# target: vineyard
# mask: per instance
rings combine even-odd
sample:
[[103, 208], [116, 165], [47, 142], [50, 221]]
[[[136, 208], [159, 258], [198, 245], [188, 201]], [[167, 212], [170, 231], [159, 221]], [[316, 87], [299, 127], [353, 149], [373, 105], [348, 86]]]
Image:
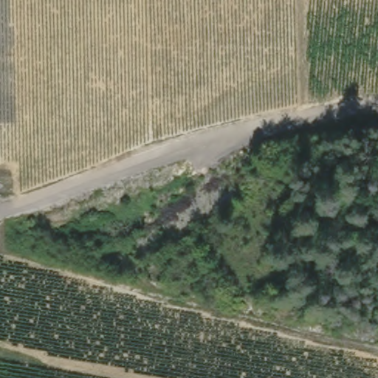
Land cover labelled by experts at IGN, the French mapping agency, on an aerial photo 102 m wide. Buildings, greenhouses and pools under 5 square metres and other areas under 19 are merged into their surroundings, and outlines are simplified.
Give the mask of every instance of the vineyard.
[[343, 96], [351, 83], [357, 84], [357, 94], [378, 94], [378, 0], [0, 0], [0, 167], [6, 168], [10, 162], [18, 162], [19, 188], [22, 195], [25, 195], [58, 185], [69, 177], [86, 171], [100, 170], [131, 155], [139, 154], [146, 148], [161, 145], [164, 142], [161, 134], [189, 130], [216, 121], [229, 120], [230, 117], [250, 115], [291, 103], [304, 105], [325, 100], [326, 96]]
[[282, 340], [278, 335], [269, 332], [241, 328], [223, 320], [208, 320], [196, 313], [182, 310], [159, 310], [158, 304], [152, 301], [137, 300], [133, 295], [120, 294], [103, 286], [75, 281], [56, 272], [35, 269], [18, 261], [6, 261], [0, 255], [0, 348], [6, 348], [6, 350], [9, 351], [18, 351], [18, 353], [25, 354], [25, 356], [34, 357], [34, 360], [32, 360], [32, 362], [28, 366], [25, 366], [25, 363], [22, 362], [22, 360], [9, 359], [9, 357], [0, 357], [0, 378], [374, 378], [363, 369], [346, 362], [343, 351], [298, 348], [292, 346], [291, 341]]

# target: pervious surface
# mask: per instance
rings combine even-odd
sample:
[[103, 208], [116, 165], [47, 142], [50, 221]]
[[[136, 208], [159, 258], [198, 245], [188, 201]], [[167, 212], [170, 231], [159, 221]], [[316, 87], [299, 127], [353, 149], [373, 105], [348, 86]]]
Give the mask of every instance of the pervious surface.
[[19, 188], [18, 162], [10, 162], [6, 168], [12, 173], [13, 182], [13, 195], [9, 196], [13, 207], [21, 208], [25, 195], [22, 195]]

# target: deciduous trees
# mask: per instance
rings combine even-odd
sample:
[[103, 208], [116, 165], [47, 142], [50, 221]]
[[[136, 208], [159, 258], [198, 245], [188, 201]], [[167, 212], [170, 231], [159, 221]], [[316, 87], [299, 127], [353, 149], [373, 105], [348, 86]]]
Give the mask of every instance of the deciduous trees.
[[254, 155], [251, 162], [260, 171], [261, 176], [276, 179], [281, 179], [292, 157], [294, 148], [288, 142], [263, 143], [260, 152]]

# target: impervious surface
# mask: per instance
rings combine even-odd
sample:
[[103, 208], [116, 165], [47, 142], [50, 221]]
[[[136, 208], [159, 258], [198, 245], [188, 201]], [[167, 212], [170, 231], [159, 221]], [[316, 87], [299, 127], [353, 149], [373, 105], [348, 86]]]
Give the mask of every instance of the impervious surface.
[[250, 145], [250, 152], [254, 155], [260, 152], [263, 143], [288, 142], [294, 148], [292, 157], [303, 157], [307, 161], [312, 157], [312, 136], [326, 136], [331, 130], [356, 127], [363, 118], [371, 118], [378, 123], [378, 94], [357, 94], [357, 84], [351, 83], [343, 96], [326, 96], [325, 100], [304, 105], [291, 103], [250, 115], [230, 117], [229, 120], [216, 121], [189, 130], [161, 134], [164, 142], [161, 145], [146, 148], [139, 154], [131, 155], [100, 170], [86, 171], [69, 177], [58, 185], [25, 195], [21, 208], [13, 207], [9, 196], [0, 196], [0, 220], [4, 220], [24, 214], [41, 213], [53, 207], [61, 207], [72, 198], [87, 198], [93, 190], [123, 185], [123, 180], [126, 179], [143, 179], [148, 176], [149, 168], [179, 159], [189, 162], [192, 176], [204, 174], [208, 168], [214, 167], [221, 159], [227, 157], [229, 152], [244, 148]]

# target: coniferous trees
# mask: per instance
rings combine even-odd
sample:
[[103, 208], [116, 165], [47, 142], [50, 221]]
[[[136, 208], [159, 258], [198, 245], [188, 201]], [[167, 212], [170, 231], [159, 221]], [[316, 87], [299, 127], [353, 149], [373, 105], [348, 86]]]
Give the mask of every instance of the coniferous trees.
[[117, 285], [121, 283], [134, 286], [140, 289], [142, 294], [162, 294], [170, 297], [170, 303], [177, 306], [185, 306], [186, 301], [196, 301], [199, 309], [207, 310], [211, 315], [233, 317], [252, 325], [279, 329], [288, 334], [292, 328], [300, 325], [320, 326], [323, 331], [331, 332], [332, 337], [343, 338], [343, 332], [356, 332], [359, 329], [366, 332], [372, 325], [377, 329], [377, 335], [375, 341], [368, 341], [368, 344], [378, 346], [378, 123], [371, 118], [363, 118], [356, 127], [331, 130], [326, 136], [312, 136], [312, 157], [307, 161], [303, 157], [292, 157], [281, 179], [276, 179], [261, 176], [260, 171], [251, 162], [254, 155], [250, 152], [250, 145], [244, 148], [244, 165], [235, 167], [233, 190], [221, 190], [219, 199], [208, 213], [193, 211], [192, 217], [183, 229], [177, 229], [170, 220], [177, 220], [179, 213], [183, 213], [195, 201], [195, 182], [189, 177], [185, 188], [179, 188], [179, 192], [174, 195], [171, 192], [162, 193], [143, 216], [114, 221], [94, 230], [72, 230], [69, 233], [58, 230], [53, 238], [43, 230], [32, 230], [34, 241], [30, 245], [31, 258], [40, 263], [44, 258], [53, 258], [63, 269]]

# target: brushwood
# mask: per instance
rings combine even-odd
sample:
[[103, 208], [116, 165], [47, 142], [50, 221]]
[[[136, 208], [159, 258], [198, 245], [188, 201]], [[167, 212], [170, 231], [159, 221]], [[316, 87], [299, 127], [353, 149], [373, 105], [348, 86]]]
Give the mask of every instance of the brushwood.
[[52, 221], [41, 213], [24, 214], [4, 220], [4, 242], [7, 251], [10, 254], [31, 258], [30, 245], [34, 241], [32, 230], [43, 230], [53, 238], [58, 230], [69, 233], [72, 230], [94, 230], [114, 221], [143, 216], [162, 193], [171, 192], [174, 195], [179, 192], [179, 188], [185, 188], [189, 177], [182, 174], [161, 188], [145, 188], [137, 195], [130, 196], [130, 201], [120, 201], [120, 204], [111, 202], [106, 210], [89, 208], [81, 211], [75, 219], [68, 220], [58, 227], [52, 226]]

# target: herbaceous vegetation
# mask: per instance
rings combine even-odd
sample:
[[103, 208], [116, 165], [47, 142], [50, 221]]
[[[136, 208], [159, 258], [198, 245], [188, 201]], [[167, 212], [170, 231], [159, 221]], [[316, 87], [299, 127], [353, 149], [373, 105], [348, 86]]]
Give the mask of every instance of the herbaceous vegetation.
[[120, 201], [130, 201], [130, 196], [137, 195], [145, 188], [161, 188], [182, 174], [189, 177], [195, 182], [195, 201], [183, 213], [179, 213], [177, 220], [170, 220], [177, 229], [183, 229], [192, 217], [193, 211], [208, 213], [219, 199], [221, 190], [233, 190], [235, 167], [244, 165], [244, 148], [229, 152], [227, 157], [221, 159], [214, 167], [208, 168], [204, 174], [192, 176], [189, 162], [179, 159], [149, 168], [148, 176], [143, 179], [126, 179], [123, 180], [123, 185], [93, 190], [87, 198], [72, 198], [61, 207], [53, 207], [41, 213], [52, 221], [52, 226], [58, 227], [68, 220], [75, 219], [81, 211], [89, 208], [106, 210], [111, 202], [120, 204]]
[[158, 304], [159, 310], [182, 310], [196, 313], [208, 320], [223, 320], [241, 328], [269, 332], [278, 335], [282, 340], [291, 341], [292, 346], [298, 348], [343, 351], [346, 362], [363, 369], [374, 378], [378, 378], [378, 346], [368, 344], [368, 341], [375, 341], [377, 335], [377, 329], [372, 325], [366, 332], [359, 329], [356, 332], [343, 332], [343, 338], [332, 337], [331, 332], [323, 331], [320, 326], [300, 325], [292, 328], [288, 334], [279, 329], [252, 325], [233, 317], [211, 315], [207, 310], [199, 309], [196, 301], [186, 301], [185, 306], [177, 306], [170, 303], [170, 297], [162, 294], [142, 294], [140, 289], [134, 286], [121, 283], [117, 285], [63, 269], [53, 258], [44, 258], [40, 263], [31, 258], [10, 254], [7, 251], [4, 242], [4, 220], [0, 220], [0, 255], [6, 261], [18, 261], [35, 269], [56, 272], [75, 281], [103, 286], [120, 294], [133, 295], [137, 300], [152, 301]]
[[9, 359], [22, 360], [22, 362], [25, 363], [25, 366], [28, 366], [32, 362], [32, 360], [34, 360], [34, 357], [25, 356], [25, 354], [18, 353], [18, 351], [9, 351], [6, 350], [6, 348], [0, 348], [0, 357], [9, 357]]
[[13, 195], [13, 182], [12, 173], [6, 168], [0, 167], [0, 196], [9, 196]]

